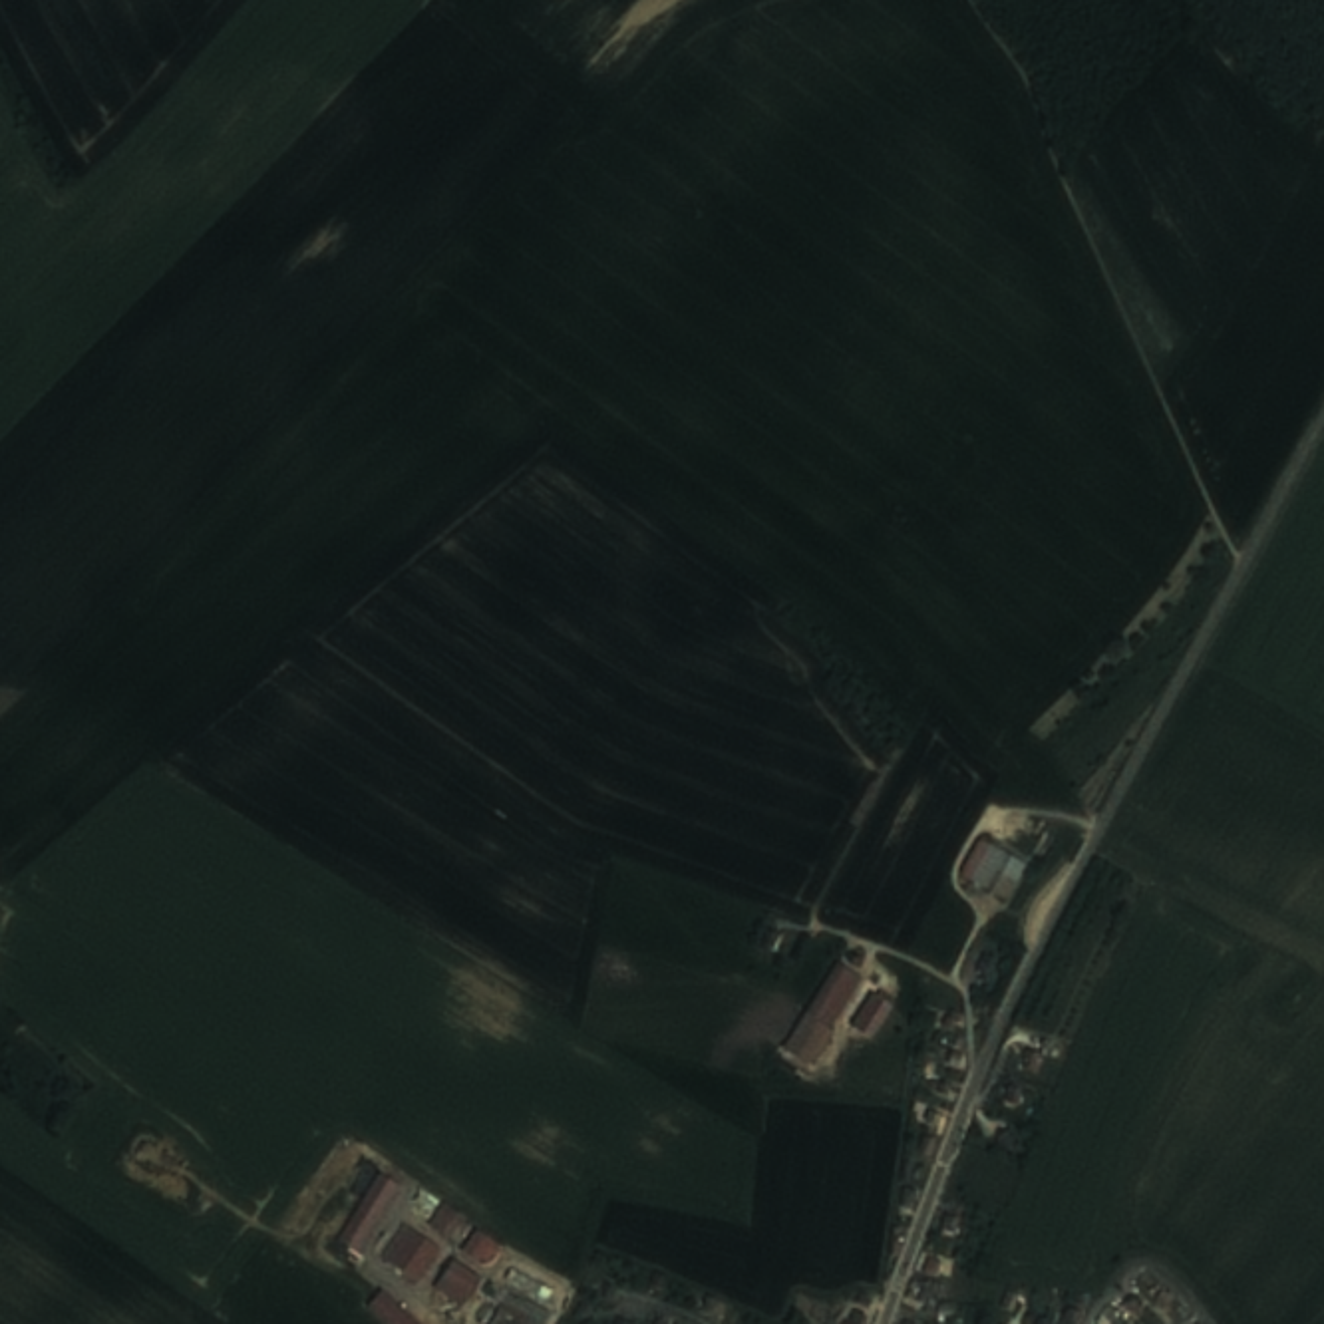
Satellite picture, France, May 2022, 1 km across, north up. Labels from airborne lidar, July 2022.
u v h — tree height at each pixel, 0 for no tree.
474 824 0
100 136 0
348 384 0
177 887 0
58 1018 0
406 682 0
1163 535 0
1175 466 0
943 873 0
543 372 0
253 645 0
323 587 0
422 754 0
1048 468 0
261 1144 0
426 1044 0
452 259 0
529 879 0
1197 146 0
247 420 0
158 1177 0
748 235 0
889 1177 0
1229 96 0
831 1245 0
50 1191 0
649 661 0
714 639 0
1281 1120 0
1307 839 0
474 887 0
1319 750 0
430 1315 0
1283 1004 0
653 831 0
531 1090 0
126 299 0
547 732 0
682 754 0
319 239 0
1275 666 0
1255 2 17
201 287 0
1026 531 0
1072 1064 0
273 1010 0
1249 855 0
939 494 0
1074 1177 0
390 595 0
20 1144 0
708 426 0
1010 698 0
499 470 0
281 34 0
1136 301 0
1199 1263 0
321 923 0
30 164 0
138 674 0
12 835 0
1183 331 0
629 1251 0
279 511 0
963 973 0
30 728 0
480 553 0
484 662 0
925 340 0
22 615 0
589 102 0
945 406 0
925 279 0
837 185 0
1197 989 0
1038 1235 0
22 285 0
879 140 0
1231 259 0
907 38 0
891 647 0
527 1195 0
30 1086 0
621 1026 0
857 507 0
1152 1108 0
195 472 0
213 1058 0
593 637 0
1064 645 0
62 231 0
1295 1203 0
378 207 0
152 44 0
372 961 0
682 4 0
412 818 0
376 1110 0
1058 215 0
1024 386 0
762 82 0
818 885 0
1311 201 0
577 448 0
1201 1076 0
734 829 0
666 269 0
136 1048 0
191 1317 0
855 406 0
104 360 0
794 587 0
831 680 8
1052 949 7
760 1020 0
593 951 0
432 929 0
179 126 0
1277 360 0
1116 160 0
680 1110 0
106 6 0
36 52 0
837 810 0
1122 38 23
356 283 0
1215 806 0
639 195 0
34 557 0
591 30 0
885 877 0
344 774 0
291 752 0
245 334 0
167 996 0
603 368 0
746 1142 0
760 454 0
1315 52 19
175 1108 0
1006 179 0
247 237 0
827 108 0
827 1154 0
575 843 0
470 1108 0
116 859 0
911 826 0
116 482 0
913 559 0
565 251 0
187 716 0
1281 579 0
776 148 0
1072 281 0
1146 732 0
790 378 0
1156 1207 0
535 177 0
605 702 0
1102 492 0
